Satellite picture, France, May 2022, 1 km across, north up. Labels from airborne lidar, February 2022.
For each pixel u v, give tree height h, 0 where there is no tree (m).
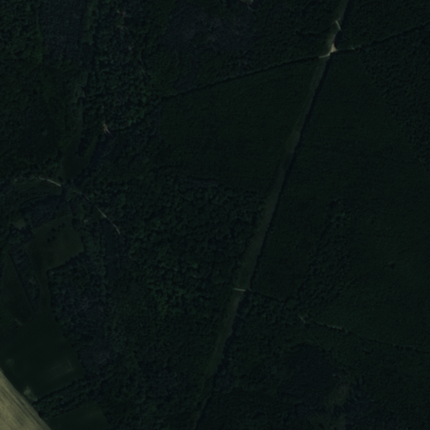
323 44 20
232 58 19
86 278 13
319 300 23
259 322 27
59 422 0
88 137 22
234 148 16
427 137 24
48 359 0
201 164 18
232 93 15
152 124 30
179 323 28
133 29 19
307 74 14
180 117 17
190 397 25
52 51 30
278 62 22
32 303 13
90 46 34
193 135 17
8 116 11
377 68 24
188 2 27
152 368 29
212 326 27
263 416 20
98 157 30
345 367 16
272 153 17
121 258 33
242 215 33
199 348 25
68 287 31
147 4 24
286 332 25
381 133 16
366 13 25
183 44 29
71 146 0
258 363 9
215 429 9
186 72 23
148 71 25
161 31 22
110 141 29
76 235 0
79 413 0
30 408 0
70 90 14
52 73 8
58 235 0
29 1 29
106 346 20
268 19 22
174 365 29
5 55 8
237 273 26
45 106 13
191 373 28
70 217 0
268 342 29
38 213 22
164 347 24
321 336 16
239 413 11
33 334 0
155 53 19
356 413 23
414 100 22
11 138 12
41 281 0
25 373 0
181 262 29
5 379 0
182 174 23
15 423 0
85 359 22
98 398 16
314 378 15
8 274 0
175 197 31
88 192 32
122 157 20
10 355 0
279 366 12
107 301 25
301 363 13
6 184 34
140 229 31
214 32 27
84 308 27
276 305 25
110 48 23
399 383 17
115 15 29
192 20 27
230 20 24
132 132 27
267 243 12
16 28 18
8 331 0
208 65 20
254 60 23
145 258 26
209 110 16
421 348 14
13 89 13
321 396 10
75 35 30
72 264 24
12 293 0
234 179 18
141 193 32
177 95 14
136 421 29
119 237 33
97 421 0
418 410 19
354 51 10
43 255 0
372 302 17
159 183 26
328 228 25
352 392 23
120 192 32
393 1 26
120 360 29
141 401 24
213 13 26
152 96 27
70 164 0
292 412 17
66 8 27
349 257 23
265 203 25
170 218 30
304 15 23
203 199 31
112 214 28
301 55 21
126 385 25
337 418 22
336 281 21
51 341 0
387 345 15
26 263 16
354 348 18
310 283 25
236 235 31
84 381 10
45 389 0
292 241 11
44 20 27
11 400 0
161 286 28
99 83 25
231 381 23
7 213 13
